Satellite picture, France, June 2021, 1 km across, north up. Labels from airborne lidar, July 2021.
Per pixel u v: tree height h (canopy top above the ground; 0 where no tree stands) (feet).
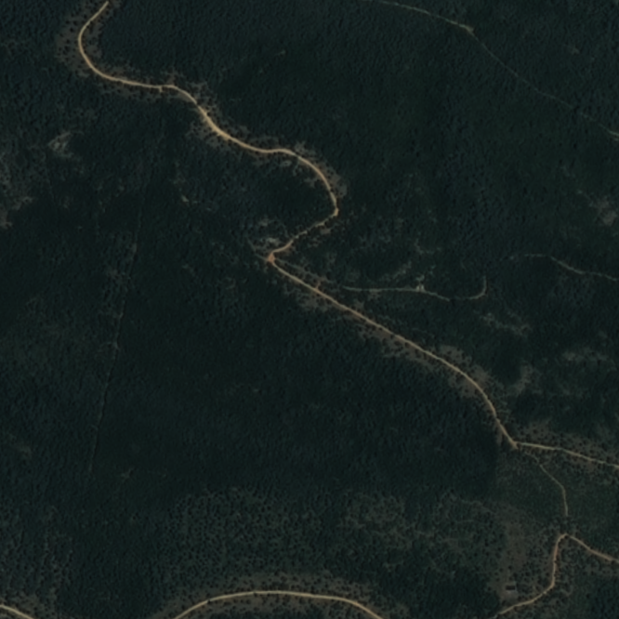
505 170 23
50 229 36
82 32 0
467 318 21
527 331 26
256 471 28
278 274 26
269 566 46
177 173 36
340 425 45
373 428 25
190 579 32
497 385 17
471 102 22
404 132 28
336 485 36
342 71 40
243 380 24
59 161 21
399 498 26
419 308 27
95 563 35
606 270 26
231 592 20
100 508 19
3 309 32
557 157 26
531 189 28
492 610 34
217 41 40
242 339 28
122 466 28
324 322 28
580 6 48
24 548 46
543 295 27
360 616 37
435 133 48
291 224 29
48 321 30
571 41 41
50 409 45
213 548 22
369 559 28
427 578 37
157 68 39
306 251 27
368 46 50
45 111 53
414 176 20
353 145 36
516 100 29
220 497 33
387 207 20
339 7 41
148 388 35
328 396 29
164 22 47
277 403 21
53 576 43
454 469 31
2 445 22
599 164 32
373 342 40
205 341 29
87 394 34
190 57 36
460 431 52
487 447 34
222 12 43
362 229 29
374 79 35
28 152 22
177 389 29
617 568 25
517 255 27
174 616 25
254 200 37
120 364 20
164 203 33
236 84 39
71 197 21
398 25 53
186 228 22
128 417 29
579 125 46
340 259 25
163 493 38
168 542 39
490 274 34
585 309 29
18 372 36
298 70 32
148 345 25
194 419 31
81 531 32
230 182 40
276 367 29
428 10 34
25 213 29
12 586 43
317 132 46
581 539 25
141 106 40
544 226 22
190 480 26
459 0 41
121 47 32
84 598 34
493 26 32
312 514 25
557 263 20
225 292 25
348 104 24
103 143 33
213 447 34
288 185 28
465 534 29
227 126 37
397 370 46
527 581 23
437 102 39
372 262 24
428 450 53
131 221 28
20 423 27
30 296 20
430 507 27
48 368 23
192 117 26
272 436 29
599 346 25
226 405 22
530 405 20
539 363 32
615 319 20
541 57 31
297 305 22
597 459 23
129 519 28
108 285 44
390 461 28
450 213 26
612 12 59
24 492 42
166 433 24
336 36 53
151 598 27
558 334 27
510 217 28
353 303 23
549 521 23
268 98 26
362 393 33
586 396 30
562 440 22
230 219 21
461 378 23
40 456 25
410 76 33
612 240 20
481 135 19
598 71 29
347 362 53
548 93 23
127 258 42
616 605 47
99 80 30
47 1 58
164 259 33
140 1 40
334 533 28
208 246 36
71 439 35
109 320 25
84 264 26
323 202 27
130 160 29
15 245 34
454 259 29
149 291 29
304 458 40
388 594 19
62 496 28
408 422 30
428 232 24
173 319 30
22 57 29
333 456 28
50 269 32
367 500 18
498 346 21
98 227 19
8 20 59
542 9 57
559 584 23
